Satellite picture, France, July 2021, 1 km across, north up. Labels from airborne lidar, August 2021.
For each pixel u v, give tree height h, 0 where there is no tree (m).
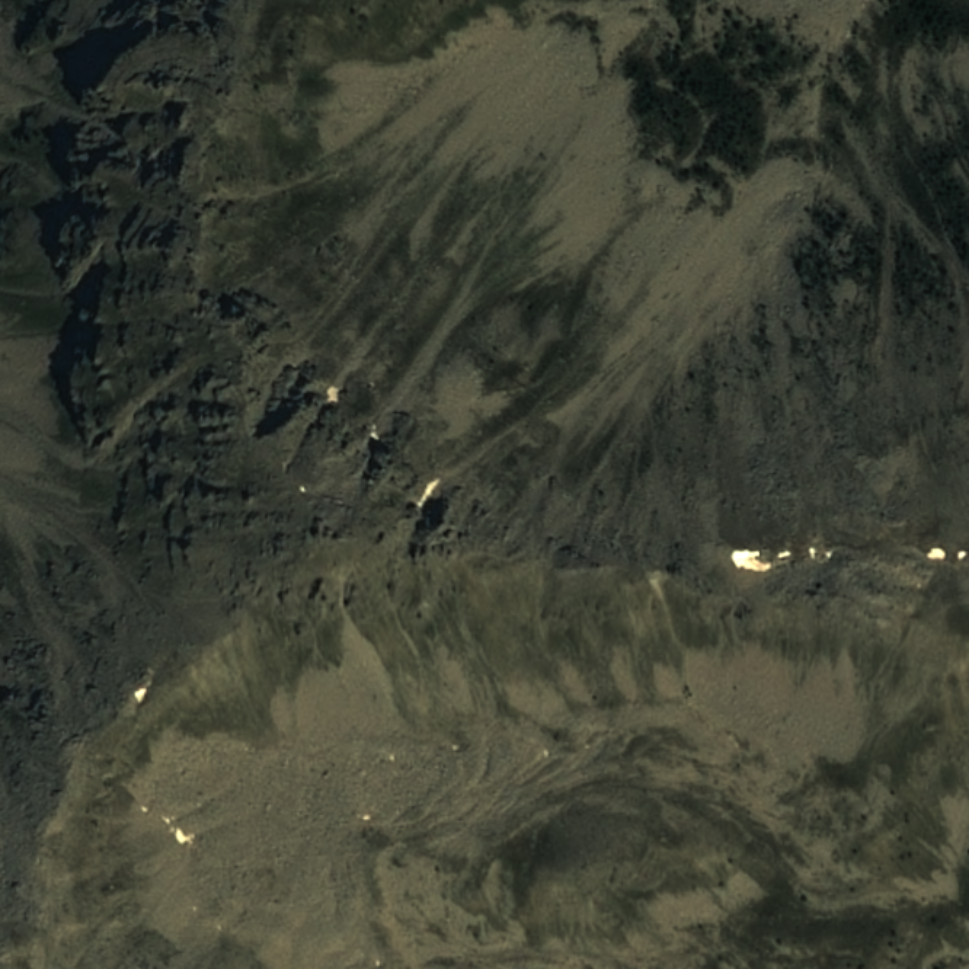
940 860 0
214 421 0
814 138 0
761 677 0
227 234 0
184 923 0
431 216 0
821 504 0
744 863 0
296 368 0
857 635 0
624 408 0
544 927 0
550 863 0
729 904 0
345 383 0
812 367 0
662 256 0
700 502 0
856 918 0
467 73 0
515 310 0
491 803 0
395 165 0
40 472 0
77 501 0
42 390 0
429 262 0
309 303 0
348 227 0
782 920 0
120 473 0
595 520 0
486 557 0
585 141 0
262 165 0
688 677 0
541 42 0
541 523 0
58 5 0
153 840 0
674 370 0
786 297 0
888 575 0
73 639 0
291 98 0
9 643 0
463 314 0
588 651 0
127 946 0
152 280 0
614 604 0
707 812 0
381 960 0
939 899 0
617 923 0
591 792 0
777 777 0
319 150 0
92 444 0
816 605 0
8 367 0
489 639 0
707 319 0
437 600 0
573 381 0
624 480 0
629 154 0
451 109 0
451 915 0
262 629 0
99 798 0
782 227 0
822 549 0
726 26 6
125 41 0
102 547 0
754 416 0
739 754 0
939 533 0
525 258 0
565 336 0
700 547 0
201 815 0
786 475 0
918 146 0
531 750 0
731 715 0
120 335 0
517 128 0
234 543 0
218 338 0
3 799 0
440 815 0
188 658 0
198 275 0
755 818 0
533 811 0
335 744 0
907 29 9
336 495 0
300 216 0
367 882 0
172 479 0
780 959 0
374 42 0
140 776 0
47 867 0
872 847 0
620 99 0
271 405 0
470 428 0
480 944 0
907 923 0
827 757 0
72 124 0
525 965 0
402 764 0
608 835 0
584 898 0
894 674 0
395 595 0
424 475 0
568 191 0
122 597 0
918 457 0
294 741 0
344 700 0
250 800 0
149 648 0
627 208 0
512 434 0
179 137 0
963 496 0
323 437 0
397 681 0
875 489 0
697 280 0
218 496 0
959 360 0
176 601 0
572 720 0
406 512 0
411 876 0
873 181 0
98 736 0
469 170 0
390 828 0
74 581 0
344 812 0
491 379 0
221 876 0
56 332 0
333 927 0
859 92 0
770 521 0
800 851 0
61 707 0
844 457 0
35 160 0
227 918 0
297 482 0
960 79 0
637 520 0
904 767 0
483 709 0
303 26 0
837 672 0
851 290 0
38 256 0
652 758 0
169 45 0
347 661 0
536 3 0
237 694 0
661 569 0
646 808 0
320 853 0
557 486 0
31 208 0
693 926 0
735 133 7
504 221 0
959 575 0
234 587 0
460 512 0
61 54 0
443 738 0
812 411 0
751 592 0
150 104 0
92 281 0
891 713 0
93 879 0
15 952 0
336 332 0
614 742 0
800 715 0
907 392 0
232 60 0
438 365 0
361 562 0
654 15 0
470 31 0
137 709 0
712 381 0
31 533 0
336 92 0
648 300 0
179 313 0
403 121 0
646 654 0
